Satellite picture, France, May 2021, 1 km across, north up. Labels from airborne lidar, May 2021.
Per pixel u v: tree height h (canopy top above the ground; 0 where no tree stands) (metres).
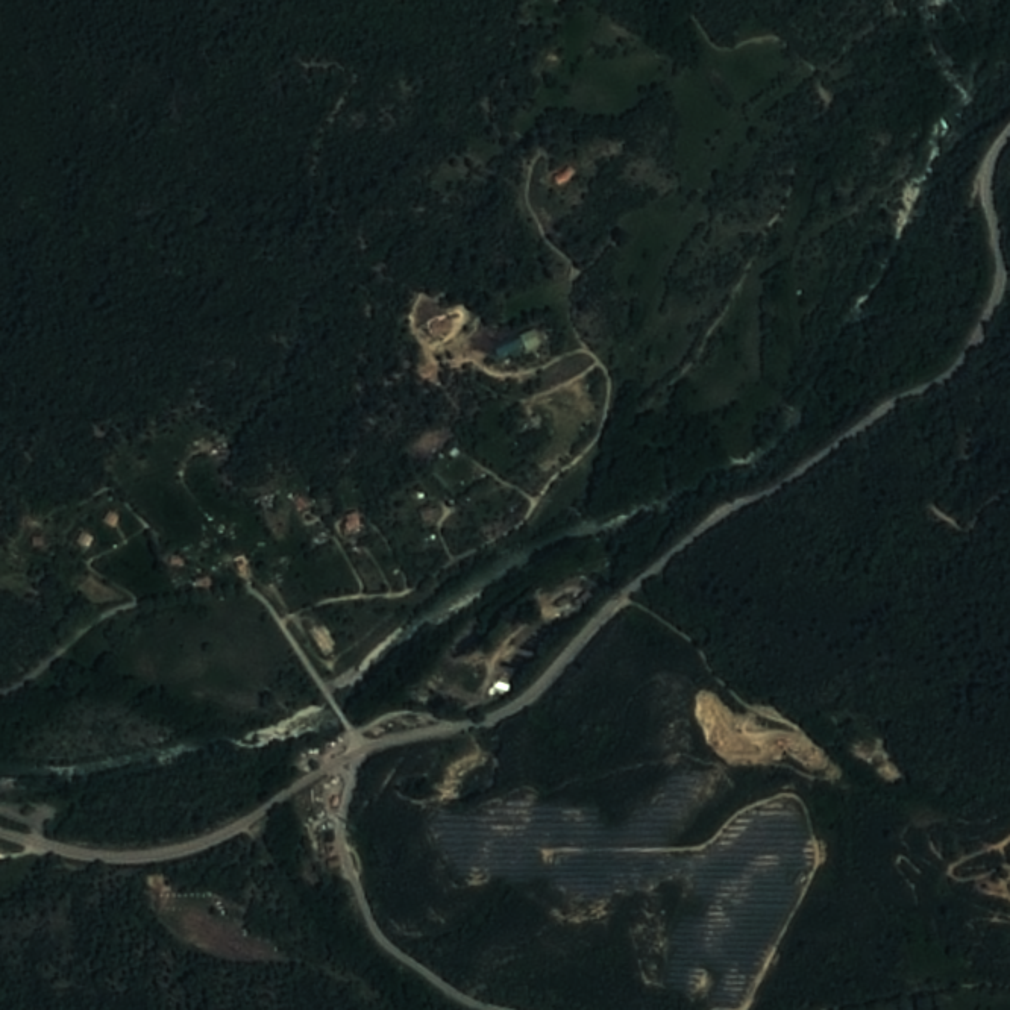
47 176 7
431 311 0
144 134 14
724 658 16
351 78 9
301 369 20
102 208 9
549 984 5
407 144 10
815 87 6
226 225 17
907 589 9
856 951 6
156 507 0
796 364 7
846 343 19
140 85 6
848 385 27
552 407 0
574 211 7
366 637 0
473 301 22
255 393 23
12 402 14
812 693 8
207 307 20
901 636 11
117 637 8
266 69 10
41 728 10
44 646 16
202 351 9
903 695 10
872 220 8
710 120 0
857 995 8
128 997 8
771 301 10
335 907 13
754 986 0
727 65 0
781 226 6
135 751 9
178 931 0
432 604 12
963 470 14
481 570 15
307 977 9
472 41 10
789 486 12
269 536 9
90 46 9
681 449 25
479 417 9
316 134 9
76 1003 6
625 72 0
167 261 19
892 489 11
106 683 21
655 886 0
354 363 12
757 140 9
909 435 15
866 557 12
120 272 13
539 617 19
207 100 12
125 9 13
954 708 9
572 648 0
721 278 6
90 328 15
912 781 17
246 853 8
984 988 10
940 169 12
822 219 7
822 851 0
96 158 9
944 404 16
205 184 9
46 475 15
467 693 0
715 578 16
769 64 0
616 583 13
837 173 12
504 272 11
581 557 12
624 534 15
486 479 7
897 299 15
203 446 0
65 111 8
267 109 8
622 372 9
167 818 9
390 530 5
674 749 0
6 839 0
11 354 11
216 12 13
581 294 6
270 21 12
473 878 0
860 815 8
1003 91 10
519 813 0
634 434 23
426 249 8
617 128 11
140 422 15
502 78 7
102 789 12
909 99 25
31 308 15
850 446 12
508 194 9
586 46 0
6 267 9
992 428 17
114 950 15
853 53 6
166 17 9
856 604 8
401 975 12
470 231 11
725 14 11
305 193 10
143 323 11
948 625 7
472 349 0
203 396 17
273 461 12
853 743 18
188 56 12
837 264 8
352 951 19
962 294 16
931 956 0
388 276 15
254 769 11
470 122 11
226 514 0
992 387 15
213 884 11
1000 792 8
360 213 6
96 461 17
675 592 17
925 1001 18
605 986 6
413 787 7
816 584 9
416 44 10
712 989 0
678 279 6
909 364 9
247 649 0
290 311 18
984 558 13
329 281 10
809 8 13
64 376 11
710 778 0
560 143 18
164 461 0
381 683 20
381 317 13
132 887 8
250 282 10
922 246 14
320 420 14
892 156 8
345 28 8
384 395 26
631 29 10
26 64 7
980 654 11
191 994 14
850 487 9
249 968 10
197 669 0
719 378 0
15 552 0
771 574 7
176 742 10
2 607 12
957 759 10
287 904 10
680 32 17
